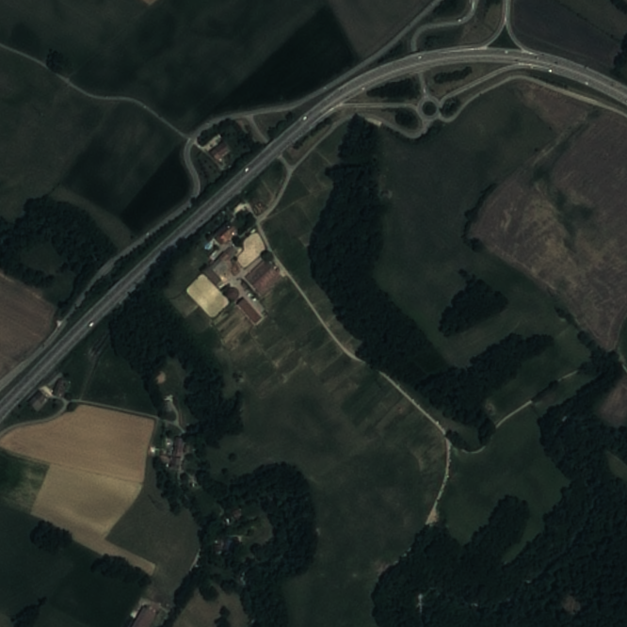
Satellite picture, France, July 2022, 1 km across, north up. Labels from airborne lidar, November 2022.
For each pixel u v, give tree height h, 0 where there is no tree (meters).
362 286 26
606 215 0
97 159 0
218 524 27
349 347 0
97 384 0
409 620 22
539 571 11
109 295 0
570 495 15
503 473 0
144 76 0
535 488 0
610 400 0
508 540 12
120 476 0
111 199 0
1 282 0
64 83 0
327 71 0
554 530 9
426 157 0
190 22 0
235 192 0
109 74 0
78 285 14
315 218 0
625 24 0
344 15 0
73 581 0
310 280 0
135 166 0
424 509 0
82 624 0
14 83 0
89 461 0
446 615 23
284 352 0
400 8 0
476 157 0
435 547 23
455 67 0
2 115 0
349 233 28
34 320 0
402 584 18
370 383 0
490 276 0
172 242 0
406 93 8
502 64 0
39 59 0
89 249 16
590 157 0
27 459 0
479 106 0
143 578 13
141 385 0
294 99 0
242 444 0
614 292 0
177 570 0
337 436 0
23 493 0
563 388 0
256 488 20
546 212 0
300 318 0
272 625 9
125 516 0
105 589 0
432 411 0
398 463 0
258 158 0
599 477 24
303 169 0
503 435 0
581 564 17
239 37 0
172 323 8
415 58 0
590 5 0
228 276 0
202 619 0
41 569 0
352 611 0
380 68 0
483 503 0
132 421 0
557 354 0
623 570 24
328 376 0
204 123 0
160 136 0
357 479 0
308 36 0
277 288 0
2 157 0
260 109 0
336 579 0
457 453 0
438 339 0
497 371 25
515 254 0
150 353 14
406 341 27
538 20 0
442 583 7
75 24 0
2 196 0
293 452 0
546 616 25
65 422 0
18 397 0
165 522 0
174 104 0
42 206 11
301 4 0
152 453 0
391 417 0
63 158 0
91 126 0
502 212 0
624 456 7
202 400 17
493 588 9
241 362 0
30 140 0
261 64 0
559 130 0
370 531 0
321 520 0
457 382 25
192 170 0
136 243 0
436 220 0
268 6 0
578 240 0
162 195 0
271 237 0
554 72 0
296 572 10
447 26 0
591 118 0
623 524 27
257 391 0
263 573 15
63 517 0
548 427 21
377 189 14
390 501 0
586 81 0
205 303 0
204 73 0
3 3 0
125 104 0
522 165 0
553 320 0
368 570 0
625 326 0
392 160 0
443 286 0
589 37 0
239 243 15
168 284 18
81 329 0
